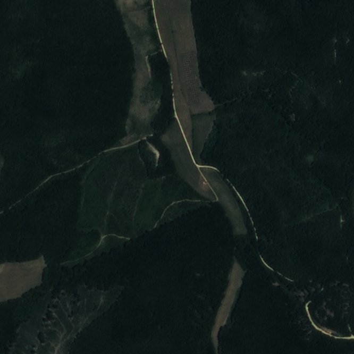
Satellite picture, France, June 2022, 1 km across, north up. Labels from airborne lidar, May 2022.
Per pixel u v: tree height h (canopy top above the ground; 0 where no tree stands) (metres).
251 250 16
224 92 10
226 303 0
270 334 12
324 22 10
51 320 17
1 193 7
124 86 8
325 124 19
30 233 10
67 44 9
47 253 9
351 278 17
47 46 10
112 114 9
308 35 12
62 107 7
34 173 9
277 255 12
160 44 7
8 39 8
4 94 9
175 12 0
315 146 6
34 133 9
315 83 6
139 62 0
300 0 13
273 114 6
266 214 12
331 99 9
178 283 17
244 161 11
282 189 6
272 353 14
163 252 13
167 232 12
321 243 12
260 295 11
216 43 9
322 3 18
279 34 7
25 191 7
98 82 12
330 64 12
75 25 10
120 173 0
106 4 15
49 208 7
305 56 13
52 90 10
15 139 12
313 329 10
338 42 7
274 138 10
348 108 12
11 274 0
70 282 15
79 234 11
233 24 6
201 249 15
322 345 20
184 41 0
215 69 8
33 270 0
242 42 9
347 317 9
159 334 14
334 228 10
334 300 9
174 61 0
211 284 20
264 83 9
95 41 15
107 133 7
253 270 17
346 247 11
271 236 14
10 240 11
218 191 0
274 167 8
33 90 11
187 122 0
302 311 8
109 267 15
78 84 13
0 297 0
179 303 17
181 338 15
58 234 10
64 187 7
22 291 0
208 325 19
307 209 8
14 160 10
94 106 7
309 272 9
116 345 13
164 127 14
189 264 16
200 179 0
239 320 9
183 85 0
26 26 8
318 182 7
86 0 9
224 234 18
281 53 8
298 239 15
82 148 9
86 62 15
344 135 14
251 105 6
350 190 17
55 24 9
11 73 7
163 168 12
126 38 13
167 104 12
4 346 17
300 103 7
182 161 0
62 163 6
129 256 18
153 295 14
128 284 13
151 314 6
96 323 12
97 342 13
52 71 10
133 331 15
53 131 5
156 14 0
